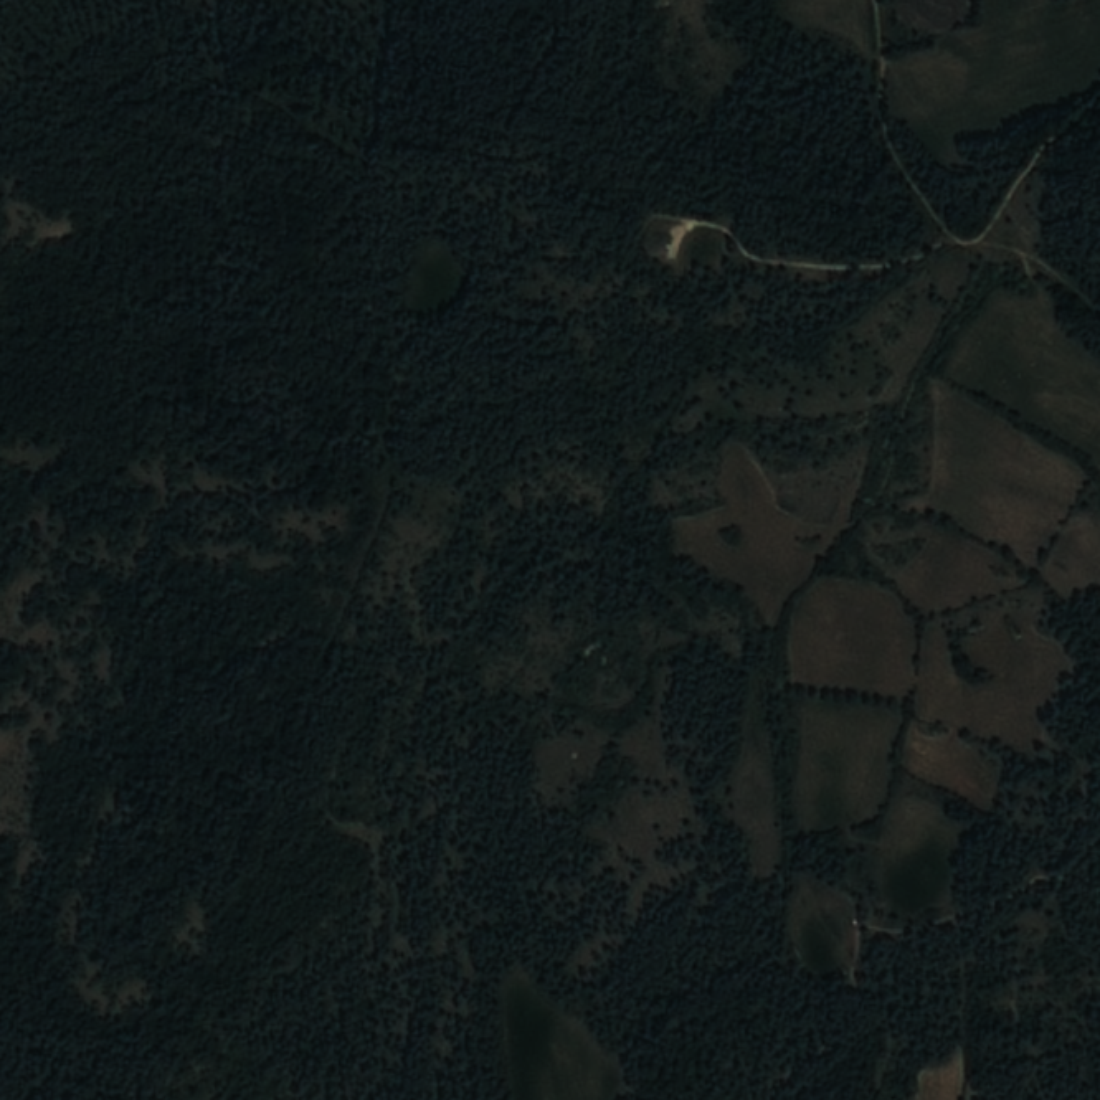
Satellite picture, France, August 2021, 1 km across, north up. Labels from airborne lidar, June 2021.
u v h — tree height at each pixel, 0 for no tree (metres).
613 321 10
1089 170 16
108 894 13
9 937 10
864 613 0
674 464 9
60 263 14
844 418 8
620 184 12
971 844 15
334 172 14
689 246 0
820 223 8
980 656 0
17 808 0
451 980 10
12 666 10
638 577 7
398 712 8
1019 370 0
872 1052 9
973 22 8
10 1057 16
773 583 0
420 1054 19
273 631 8
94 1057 9
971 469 0
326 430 12
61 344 15
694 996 14
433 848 14
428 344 12
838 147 15
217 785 12
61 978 7
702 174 18
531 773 11
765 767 0
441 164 13
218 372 15
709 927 11
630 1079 13
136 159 15
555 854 13
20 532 7
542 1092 0
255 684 15
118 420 9
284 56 18
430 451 15
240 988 6
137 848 13
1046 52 0
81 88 10
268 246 12
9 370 16
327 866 6
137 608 9
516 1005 0
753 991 12
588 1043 0
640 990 12
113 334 14
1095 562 0
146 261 16
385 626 6
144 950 15
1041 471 0
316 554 7
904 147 15
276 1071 12
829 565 10
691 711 10
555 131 15
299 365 14
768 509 0
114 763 9
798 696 12
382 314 16
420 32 18
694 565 9
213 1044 6
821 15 0
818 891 0
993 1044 8
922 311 0
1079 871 9
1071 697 14
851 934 0
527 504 7
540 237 9
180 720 18
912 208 11
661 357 9
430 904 16
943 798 7
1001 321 0
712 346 11
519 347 12
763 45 8
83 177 13
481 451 14
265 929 6
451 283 0
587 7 16
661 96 15
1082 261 10
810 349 11
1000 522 0
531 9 16
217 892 11
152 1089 16
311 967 13
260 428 15
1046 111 10
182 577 10
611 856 0
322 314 13
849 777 0
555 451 8
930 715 0
